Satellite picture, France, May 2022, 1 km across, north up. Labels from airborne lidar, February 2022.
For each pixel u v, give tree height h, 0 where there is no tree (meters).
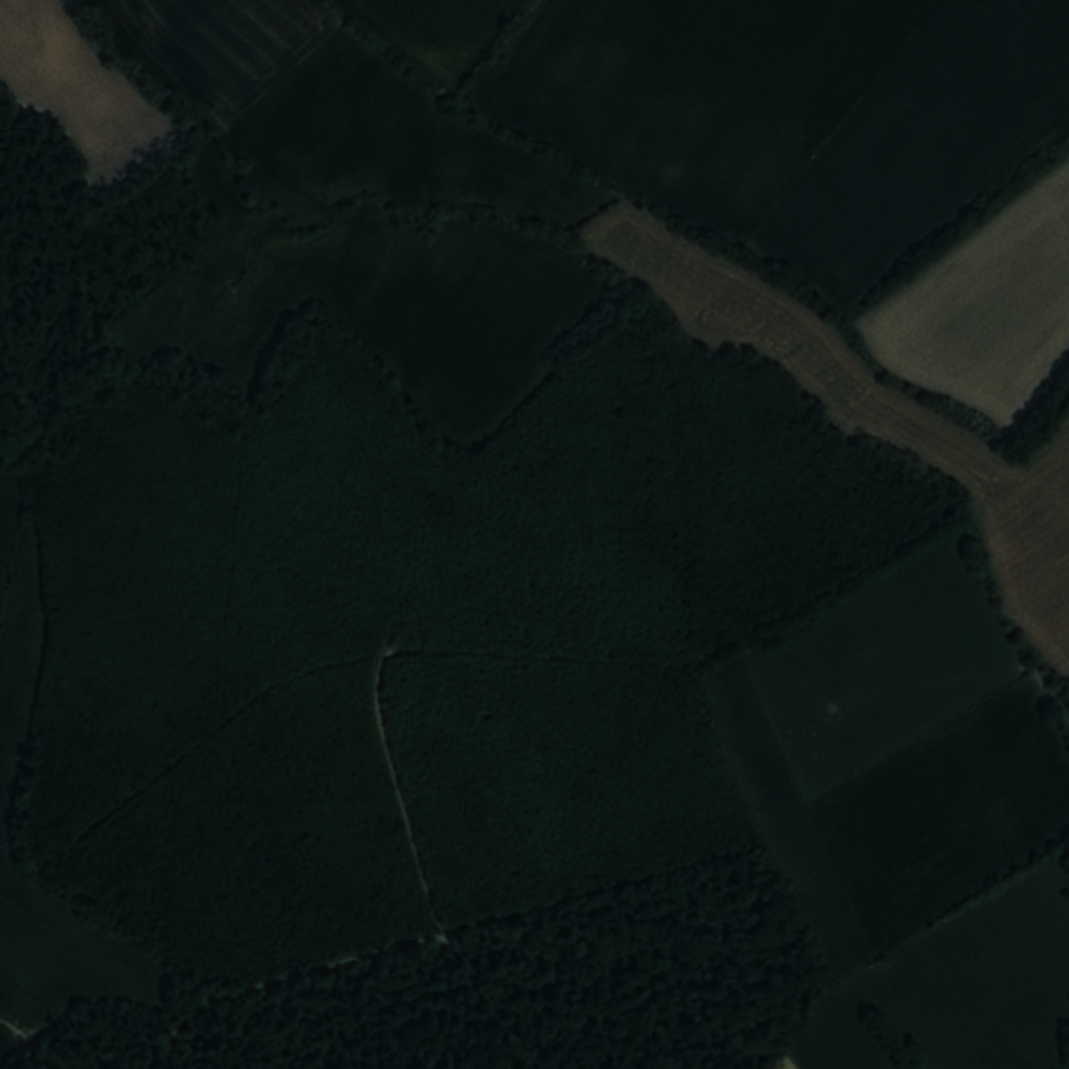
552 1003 29
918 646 0
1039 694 0
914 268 13
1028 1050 0
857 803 0
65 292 7
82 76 0
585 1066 24
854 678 0
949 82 0
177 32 0
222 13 0
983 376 0
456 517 11
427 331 0
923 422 0
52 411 23
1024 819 0
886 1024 15
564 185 0
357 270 0
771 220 0
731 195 0
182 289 0
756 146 0
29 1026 0
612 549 12
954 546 0
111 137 0
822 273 0
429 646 9
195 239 22
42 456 16
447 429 0
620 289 22
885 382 13
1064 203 0
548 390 10
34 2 0
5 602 0
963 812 0
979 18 0
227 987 23
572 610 12
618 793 13
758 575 14
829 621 0
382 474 11
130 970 0
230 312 0
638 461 13
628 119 0
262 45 0
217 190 0
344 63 0
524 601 12
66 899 14
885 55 0
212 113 0
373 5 0
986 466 0
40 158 7
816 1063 0
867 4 0
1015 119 0
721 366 14
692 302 0
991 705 0
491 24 0
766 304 0
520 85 0
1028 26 0
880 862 0
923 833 0
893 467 7
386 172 0
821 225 0
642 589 10
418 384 0
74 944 0
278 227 0
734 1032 26
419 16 0
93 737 12
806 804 0
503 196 0
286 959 6
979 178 0
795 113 0
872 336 0
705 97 0
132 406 10
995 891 10
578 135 0
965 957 0
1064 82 0
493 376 0
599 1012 20
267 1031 28
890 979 0
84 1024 11
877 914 0
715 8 0
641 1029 23
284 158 0
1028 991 0
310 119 0
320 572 11
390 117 0
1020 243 0
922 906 0
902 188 0
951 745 0
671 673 10
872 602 0
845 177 0
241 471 8
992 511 0
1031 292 0
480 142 0
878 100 0
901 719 0
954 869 0
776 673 0
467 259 0
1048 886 0
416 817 8
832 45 0
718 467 10
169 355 18
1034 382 0
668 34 0
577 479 12
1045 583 0
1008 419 0
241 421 11
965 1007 0
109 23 13
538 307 0
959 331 0
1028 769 0
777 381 14
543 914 24
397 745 8
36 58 0
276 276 0
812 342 0
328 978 17
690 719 12
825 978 17
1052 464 0
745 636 15
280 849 10
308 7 0
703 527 13
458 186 0
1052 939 0
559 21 0
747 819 9
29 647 0
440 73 0
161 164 21
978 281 0
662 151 0
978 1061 0
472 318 0
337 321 9
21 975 0
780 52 0
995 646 0
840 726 0
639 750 13
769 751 0
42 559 8
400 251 0
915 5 0
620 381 13
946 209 0
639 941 22
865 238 0
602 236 0
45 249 23
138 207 22
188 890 9
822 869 0
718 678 0
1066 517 0
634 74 0
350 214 11
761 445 13
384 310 0
